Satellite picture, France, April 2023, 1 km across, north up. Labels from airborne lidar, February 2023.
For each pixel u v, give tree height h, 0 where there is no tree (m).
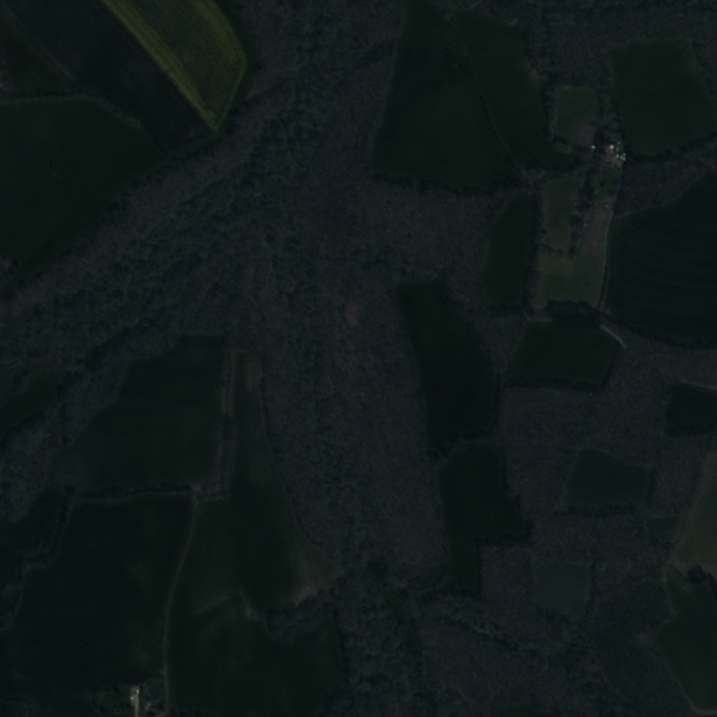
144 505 0
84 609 0
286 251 15
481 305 15
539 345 0
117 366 16
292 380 18
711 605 0
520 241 0
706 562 0
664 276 0
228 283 14
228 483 7
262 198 15
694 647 0
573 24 18
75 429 15
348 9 17
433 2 17
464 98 0
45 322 12
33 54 0
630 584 17
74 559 0
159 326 18
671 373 18
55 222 0
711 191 0
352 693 25
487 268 0
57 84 0
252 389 0
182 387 0
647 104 0
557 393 17
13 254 0
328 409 22
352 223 17
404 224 15
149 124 0
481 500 0
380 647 11
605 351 0
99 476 0
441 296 0
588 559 17
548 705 17
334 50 10
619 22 21
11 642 0
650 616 16
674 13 20
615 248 0
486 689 18
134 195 19
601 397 19
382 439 17
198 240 17
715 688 0
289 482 12
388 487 17
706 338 0
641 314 0
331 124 27
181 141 0
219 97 0
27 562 9
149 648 0
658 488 20
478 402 0
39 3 0
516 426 16
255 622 0
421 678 8
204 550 0
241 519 0
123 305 15
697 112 0
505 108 0
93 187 0
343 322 13
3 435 0
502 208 19
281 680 0
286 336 12
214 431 0
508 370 0
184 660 0
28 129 0
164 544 0
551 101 13
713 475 0
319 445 16
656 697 14
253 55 0
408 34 0
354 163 17
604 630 14
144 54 0
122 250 19
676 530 0
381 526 19
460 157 0
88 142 0
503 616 21
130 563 0
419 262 17
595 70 18
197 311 18
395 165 0
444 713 19
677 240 0
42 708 0
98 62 0
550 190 0
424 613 19
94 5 0
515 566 19
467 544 0
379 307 15
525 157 0
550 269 0
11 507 24
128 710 6
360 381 13
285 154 28
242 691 0
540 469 19
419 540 16
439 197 15
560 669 19
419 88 0
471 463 0
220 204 10
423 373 0
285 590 0
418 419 18
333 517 21
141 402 0
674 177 16
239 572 0
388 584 8
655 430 23
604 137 10
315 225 16
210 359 0
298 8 23
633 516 16
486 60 0
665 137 0
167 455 0
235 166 8
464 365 0
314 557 0
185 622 0
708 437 15
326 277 18
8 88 12
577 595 0
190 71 0
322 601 13
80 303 18
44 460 16
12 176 0
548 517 18
